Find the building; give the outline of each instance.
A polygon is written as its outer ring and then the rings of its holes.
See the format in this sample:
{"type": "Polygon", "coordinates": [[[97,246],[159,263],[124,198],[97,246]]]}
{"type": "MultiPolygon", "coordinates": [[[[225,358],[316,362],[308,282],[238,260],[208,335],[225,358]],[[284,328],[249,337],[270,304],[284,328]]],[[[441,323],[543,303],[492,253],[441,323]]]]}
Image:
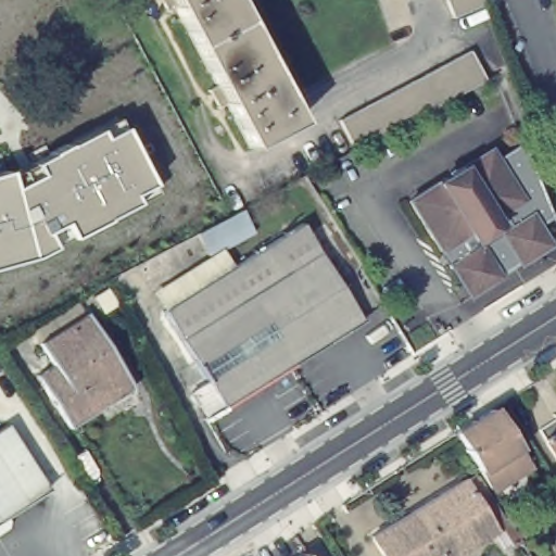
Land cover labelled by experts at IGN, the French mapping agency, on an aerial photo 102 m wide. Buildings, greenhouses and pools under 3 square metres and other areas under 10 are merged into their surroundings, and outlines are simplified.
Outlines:
{"type": "Polygon", "coordinates": [[[282,241],[269,248],[261,248],[261,252],[252,256],[248,263],[237,265],[230,256],[230,248],[254,237],[256,230],[248,213],[235,215],[215,226],[202,235],[202,248],[206,250],[211,261],[195,267],[193,271],[189,271],[187,276],[182,276],[180,280],[165,287],[159,293],[163,304],[172,306],[172,313],[161,313],[159,321],[163,330],[172,337],[174,345],[178,348],[180,356],[185,358],[191,371],[204,376],[209,371],[213,376],[215,384],[200,389],[200,393],[193,395],[189,402],[193,404],[198,419],[202,424],[215,424],[232,410],[237,410],[239,406],[243,406],[248,400],[256,397],[263,389],[267,389],[269,380],[276,374],[298,365],[304,356],[339,339],[341,334],[345,334],[363,321],[365,315],[361,306],[356,304],[352,291],[334,269],[334,265],[324,254],[313,230],[311,226],[302,226],[282,241]]]}
{"type": "Polygon", "coordinates": [[[539,441],[556,463],[556,426],[552,426],[549,421],[541,421],[536,426],[539,441]]]}
{"type": "Polygon", "coordinates": [[[28,267],[30,263],[52,258],[61,254],[63,248],[70,245],[74,239],[91,241],[98,235],[109,232],[119,222],[146,209],[150,198],[163,191],[163,178],[156,172],[139,132],[130,128],[126,119],[111,126],[106,132],[100,132],[59,154],[46,148],[43,152],[35,154],[39,167],[35,169],[22,174],[11,172],[0,176],[0,274],[17,271],[28,267]]]}
{"type": "Polygon", "coordinates": [[[113,417],[117,413],[113,410],[115,402],[135,393],[141,384],[139,382],[130,374],[126,361],[122,358],[109,332],[91,315],[80,326],[56,337],[41,350],[48,356],[50,365],[35,374],[39,384],[48,395],[52,408],[65,421],[65,426],[74,430],[91,421],[96,417],[113,417]]]}
{"type": "Polygon", "coordinates": [[[484,480],[482,484],[473,487],[467,480],[450,493],[445,493],[443,497],[439,497],[437,502],[406,517],[400,523],[384,530],[380,536],[380,543],[387,549],[384,556],[504,556],[504,552],[495,545],[502,532],[506,532],[513,539],[515,549],[523,547],[526,541],[515,526],[508,523],[500,495],[508,495],[526,487],[530,476],[534,473],[534,463],[530,458],[528,443],[519,426],[513,421],[508,413],[497,410],[489,415],[480,424],[463,430],[458,439],[460,443],[465,445],[465,452],[471,456],[480,473],[484,480]]]}
{"type": "Polygon", "coordinates": [[[458,24],[465,22],[469,15],[487,11],[484,0],[452,0],[456,9],[454,20],[458,24]]]}
{"type": "Polygon", "coordinates": [[[30,502],[35,502],[43,493],[48,482],[30,452],[26,450],[26,445],[22,443],[22,439],[17,437],[17,432],[9,428],[0,432],[0,536],[11,530],[13,515],[26,508],[30,502]]]}
{"type": "Polygon", "coordinates": [[[289,139],[317,125],[304,93],[298,80],[293,78],[285,56],[280,54],[254,0],[156,0],[159,7],[174,13],[180,15],[180,22],[187,28],[193,46],[198,48],[202,63],[206,65],[209,74],[217,85],[228,98],[228,106],[235,115],[235,122],[241,128],[245,141],[250,143],[271,141],[280,135],[289,139]]]}
{"type": "Polygon", "coordinates": [[[556,250],[556,209],[549,200],[547,187],[539,182],[532,174],[526,154],[519,148],[515,148],[508,154],[491,150],[478,163],[463,169],[450,165],[450,180],[428,189],[413,204],[428,235],[437,239],[441,254],[445,258],[445,274],[450,276],[454,287],[463,289],[465,298],[478,298],[484,289],[495,287],[504,269],[513,274],[530,265],[532,261],[541,258],[543,254],[556,250]]]}
{"type": "Polygon", "coordinates": [[[454,98],[458,93],[473,93],[487,83],[487,72],[476,52],[471,52],[441,67],[439,72],[426,76],[424,80],[397,91],[395,96],[356,113],[354,117],[343,119],[341,130],[352,143],[367,132],[384,135],[389,124],[408,119],[417,115],[424,106],[428,106],[443,106],[445,100],[454,98]]]}
{"type": "Polygon", "coordinates": [[[104,313],[109,313],[117,308],[115,293],[104,291],[98,295],[98,304],[104,313]]]}

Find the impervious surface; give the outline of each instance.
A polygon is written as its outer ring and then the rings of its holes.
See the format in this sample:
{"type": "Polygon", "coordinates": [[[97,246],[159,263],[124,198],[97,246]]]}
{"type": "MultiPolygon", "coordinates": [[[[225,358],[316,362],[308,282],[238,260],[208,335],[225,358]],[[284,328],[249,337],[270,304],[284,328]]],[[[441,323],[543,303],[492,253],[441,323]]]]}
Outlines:
{"type": "Polygon", "coordinates": [[[556,104],[556,0],[495,0],[497,13],[504,22],[517,63],[534,91],[543,93],[545,100],[556,104]]]}
{"type": "Polygon", "coordinates": [[[130,374],[139,382],[141,369],[130,348],[128,334],[111,321],[109,313],[104,313],[98,304],[89,302],[83,308],[78,304],[59,315],[56,319],[48,321],[46,326],[41,326],[30,339],[22,341],[20,352],[11,356],[22,378],[33,389],[37,389],[39,384],[35,374],[50,365],[48,356],[41,350],[56,337],[80,326],[91,315],[109,332],[122,358],[126,361],[130,374]]]}
{"type": "Polygon", "coordinates": [[[176,469],[185,467],[185,463],[167,447],[159,430],[156,417],[152,413],[150,391],[141,384],[135,393],[115,402],[113,410],[117,413],[132,410],[135,415],[146,417],[161,454],[176,469]]]}
{"type": "Polygon", "coordinates": [[[9,98],[0,89],[0,146],[7,143],[11,150],[20,150],[20,137],[22,130],[26,130],[26,124],[22,113],[9,102],[9,98]]]}
{"type": "Polygon", "coordinates": [[[352,291],[356,304],[361,306],[365,315],[363,321],[345,334],[341,334],[339,339],[304,356],[298,365],[276,374],[269,380],[267,389],[263,389],[256,397],[248,400],[243,406],[239,406],[237,410],[232,410],[215,424],[202,424],[198,419],[193,404],[189,402],[193,395],[200,393],[200,389],[215,384],[213,376],[209,371],[204,376],[191,371],[185,358],[180,356],[178,348],[174,345],[172,337],[163,330],[159,321],[161,313],[172,313],[172,306],[163,304],[159,293],[165,287],[180,280],[182,276],[187,276],[189,271],[193,271],[195,267],[211,261],[206,250],[202,248],[202,235],[176,243],[174,248],[161,252],[148,263],[124,271],[119,278],[137,289],[139,304],[135,306],[135,317],[141,321],[146,339],[152,345],[156,361],[161,361],[161,367],[167,374],[169,384],[174,387],[178,402],[187,413],[211,467],[224,473],[211,491],[195,495],[185,510],[172,513],[165,519],[154,519],[148,528],[141,530],[137,534],[119,530],[115,539],[111,534],[102,534],[100,521],[87,502],[87,495],[78,491],[74,484],[70,489],[63,489],[59,482],[48,482],[43,493],[35,502],[30,502],[26,508],[13,515],[11,530],[0,536],[0,556],[332,556],[324,541],[317,539],[317,519],[321,519],[324,523],[337,523],[337,513],[332,508],[345,502],[369,487],[369,482],[363,482],[361,487],[352,484],[352,478],[374,469],[378,469],[378,484],[382,484],[391,476],[413,460],[421,460],[430,450],[441,445],[443,441],[458,439],[463,430],[480,424],[489,415],[497,410],[508,413],[521,404],[517,391],[530,387],[539,393],[556,421],[556,250],[543,254],[541,258],[532,261],[530,265],[513,274],[504,269],[495,287],[484,289],[478,298],[465,298],[463,289],[454,287],[450,276],[445,274],[445,258],[441,254],[437,239],[428,235],[424,241],[419,241],[400,211],[402,200],[408,200],[413,204],[428,189],[450,180],[450,165],[463,169],[478,163],[491,150],[508,154],[515,148],[504,141],[504,137],[508,130],[521,126],[519,102],[517,89],[510,83],[510,70],[508,65],[502,65],[491,28],[484,24],[489,20],[487,11],[469,15],[465,22],[458,24],[454,20],[456,9],[452,0],[378,0],[391,37],[389,48],[384,52],[363,54],[334,70],[334,85],[330,87],[330,91],[321,83],[317,83],[311,85],[304,93],[317,125],[289,139],[280,135],[271,141],[250,143],[245,152],[241,148],[232,150],[226,150],[213,137],[213,132],[200,141],[209,159],[215,161],[222,187],[230,198],[235,200],[235,209],[241,209],[254,195],[256,189],[263,189],[271,180],[278,182],[285,176],[291,176],[295,169],[306,172],[308,161],[315,161],[319,152],[326,152],[332,159],[334,169],[343,172],[334,185],[332,180],[326,185],[313,185],[313,180],[306,178],[300,180],[300,187],[306,189],[321,217],[321,224],[313,230],[324,254],[334,265],[334,269],[352,291]],[[393,163],[380,165],[374,172],[356,167],[352,163],[352,143],[341,130],[343,119],[354,117],[356,113],[395,96],[397,91],[424,80],[426,76],[439,72],[441,67],[471,52],[476,52],[487,72],[487,83],[497,87],[500,104],[493,111],[484,109],[480,115],[471,111],[471,119],[458,126],[454,132],[443,135],[441,139],[419,148],[410,159],[395,159],[393,163]],[[339,219],[334,217],[332,204],[339,204],[352,230],[363,239],[363,243],[367,243],[363,252],[380,258],[387,267],[387,278],[376,289],[371,289],[358,269],[358,265],[363,263],[361,252],[352,245],[339,219]],[[382,295],[400,287],[413,295],[419,295],[417,311],[408,319],[391,319],[376,304],[382,295]],[[424,343],[421,348],[413,348],[408,337],[421,326],[430,326],[439,337],[424,343]],[[159,543],[154,534],[163,523],[176,523],[178,536],[167,543],[159,543]]]}

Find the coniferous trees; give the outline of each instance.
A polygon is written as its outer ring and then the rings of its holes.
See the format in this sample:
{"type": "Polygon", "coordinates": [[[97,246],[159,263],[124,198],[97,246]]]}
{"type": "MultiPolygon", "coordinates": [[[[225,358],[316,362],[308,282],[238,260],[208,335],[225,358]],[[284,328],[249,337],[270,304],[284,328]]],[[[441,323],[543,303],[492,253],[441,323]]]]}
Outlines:
{"type": "Polygon", "coordinates": [[[406,500],[391,502],[382,493],[376,491],[376,504],[376,510],[382,515],[380,530],[384,530],[400,523],[406,517],[402,513],[402,506],[406,504],[406,500]]]}

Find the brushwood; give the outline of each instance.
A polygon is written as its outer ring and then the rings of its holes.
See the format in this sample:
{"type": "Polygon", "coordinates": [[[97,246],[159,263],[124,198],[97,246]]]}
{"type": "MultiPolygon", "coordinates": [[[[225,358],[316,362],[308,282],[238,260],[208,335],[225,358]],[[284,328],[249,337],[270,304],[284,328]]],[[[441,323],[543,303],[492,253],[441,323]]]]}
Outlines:
{"type": "Polygon", "coordinates": [[[517,89],[519,102],[534,91],[517,63],[504,22],[497,13],[495,0],[484,0],[487,11],[489,20],[484,24],[491,28],[502,65],[508,65],[510,70],[510,83],[517,89]]]}
{"type": "Polygon", "coordinates": [[[424,241],[428,235],[413,204],[408,200],[402,200],[400,211],[419,241],[424,241]]]}
{"type": "Polygon", "coordinates": [[[48,321],[56,319],[59,315],[78,304],[76,293],[61,291],[56,302],[48,304],[46,308],[35,308],[33,315],[7,315],[0,319],[0,369],[4,371],[4,378],[11,380],[15,391],[13,395],[17,395],[28,406],[35,421],[50,439],[54,452],[59,454],[74,484],[78,491],[87,495],[87,502],[100,521],[102,534],[111,534],[115,539],[119,530],[115,517],[100,502],[100,495],[96,491],[98,480],[89,478],[80,463],[80,456],[48,425],[43,408],[37,402],[33,389],[22,378],[11,356],[20,352],[22,341],[30,339],[41,326],[46,326],[48,321]]]}
{"type": "Polygon", "coordinates": [[[443,441],[441,445],[430,450],[421,460],[413,460],[391,476],[395,482],[402,482],[402,478],[408,473],[437,465],[441,460],[441,454],[452,454],[460,443],[458,439],[443,441]]]}
{"type": "Polygon", "coordinates": [[[211,467],[187,413],[178,402],[174,387],[169,384],[167,374],[161,367],[161,361],[156,361],[152,345],[146,339],[141,321],[135,317],[135,306],[139,304],[137,289],[119,278],[115,278],[113,274],[104,274],[102,282],[85,285],[83,291],[87,291],[91,298],[98,295],[104,291],[115,293],[117,308],[109,313],[111,321],[128,334],[130,348],[141,369],[139,382],[141,384],[150,391],[152,413],[156,417],[159,430],[167,447],[185,463],[185,467],[189,469],[187,484],[176,487],[161,500],[152,500],[148,495],[135,497],[122,484],[119,473],[113,469],[104,452],[104,445],[98,441],[98,430],[91,421],[74,430],[74,434],[83,443],[83,450],[93,456],[100,469],[100,480],[106,484],[117,506],[135,508],[137,526],[141,530],[148,528],[154,519],[165,519],[172,513],[185,510],[195,495],[211,491],[224,473],[211,467]]]}
{"type": "Polygon", "coordinates": [[[345,502],[350,510],[367,502],[376,504],[376,491],[382,493],[378,484],[369,487],[345,502]]]}
{"type": "Polygon", "coordinates": [[[324,541],[332,556],[363,556],[363,549],[358,545],[348,545],[348,536],[343,536],[345,528],[337,523],[324,523],[321,519],[317,519],[317,539],[324,541]]]}
{"type": "Polygon", "coordinates": [[[339,219],[352,245],[361,252],[363,252],[367,243],[363,243],[363,239],[352,230],[339,204],[332,204],[334,217],[339,219]]]}

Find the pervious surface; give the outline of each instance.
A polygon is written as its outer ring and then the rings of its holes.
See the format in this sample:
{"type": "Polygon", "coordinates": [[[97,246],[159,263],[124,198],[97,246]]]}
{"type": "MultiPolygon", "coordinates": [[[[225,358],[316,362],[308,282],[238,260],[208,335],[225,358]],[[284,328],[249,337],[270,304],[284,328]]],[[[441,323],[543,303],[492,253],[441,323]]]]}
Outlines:
{"type": "Polygon", "coordinates": [[[28,406],[17,395],[13,395],[15,391],[11,380],[4,378],[4,371],[0,369],[0,432],[9,428],[17,432],[17,437],[22,439],[22,443],[26,445],[26,450],[30,452],[48,482],[59,482],[63,489],[70,489],[74,484],[59,454],[54,452],[50,439],[35,421],[28,406]]]}
{"type": "Polygon", "coordinates": [[[541,421],[549,421],[552,426],[556,426],[556,421],[539,393],[536,406],[532,410],[536,426],[541,421]]]}
{"type": "Polygon", "coordinates": [[[161,20],[165,39],[174,50],[187,76],[187,83],[191,85],[200,102],[204,102],[209,111],[217,117],[217,132],[228,135],[232,150],[241,148],[245,152],[250,143],[245,141],[241,128],[235,122],[235,115],[228,106],[228,98],[217,85],[211,91],[204,91],[200,87],[174,30],[167,24],[167,20],[174,13],[159,7],[156,0],[152,0],[148,7],[148,15],[152,20],[161,20]]]}
{"type": "Polygon", "coordinates": [[[395,482],[391,476],[382,484],[378,484],[382,493],[391,502],[406,500],[406,504],[402,506],[402,513],[406,517],[437,502],[439,497],[443,497],[445,493],[450,493],[467,480],[473,487],[482,484],[484,480],[480,473],[450,478],[441,469],[441,465],[437,465],[408,473],[402,478],[402,482],[395,482]]]}
{"type": "Polygon", "coordinates": [[[515,549],[513,539],[506,532],[502,532],[495,545],[504,552],[504,556],[515,556],[515,549]]]}
{"type": "Polygon", "coordinates": [[[382,515],[376,510],[376,504],[367,502],[350,510],[345,502],[332,508],[337,513],[337,523],[345,528],[343,536],[348,536],[348,545],[358,545],[363,549],[363,556],[384,556],[387,549],[380,543],[380,536],[384,530],[380,530],[382,515]]]}

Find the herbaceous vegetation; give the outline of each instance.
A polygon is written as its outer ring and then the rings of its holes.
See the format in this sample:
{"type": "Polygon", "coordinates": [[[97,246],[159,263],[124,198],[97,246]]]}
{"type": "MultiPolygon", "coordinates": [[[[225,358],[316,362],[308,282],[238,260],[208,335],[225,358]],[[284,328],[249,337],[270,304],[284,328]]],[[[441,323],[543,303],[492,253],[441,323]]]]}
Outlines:
{"type": "Polygon", "coordinates": [[[271,180],[263,189],[256,189],[254,195],[241,209],[235,209],[235,215],[248,213],[256,230],[254,237],[230,248],[230,256],[237,265],[248,263],[252,256],[261,252],[261,248],[269,248],[282,241],[302,226],[311,226],[313,230],[321,224],[321,217],[306,189],[300,187],[300,180],[306,178],[306,172],[295,169],[291,176],[285,176],[278,182],[271,180]]]}
{"type": "Polygon", "coordinates": [[[421,326],[408,337],[413,348],[421,348],[424,343],[439,337],[430,326],[421,326]]]}
{"type": "Polygon", "coordinates": [[[91,421],[98,430],[98,441],[104,445],[104,452],[113,469],[119,473],[122,484],[135,497],[148,495],[152,500],[161,500],[176,487],[187,484],[189,469],[185,467],[176,469],[161,454],[146,417],[135,415],[132,410],[117,413],[113,417],[96,417],[91,421]]]}
{"type": "Polygon", "coordinates": [[[0,146],[0,176],[11,172],[22,174],[35,169],[39,167],[35,154],[43,152],[46,148],[59,154],[100,132],[106,132],[111,126],[126,119],[130,128],[139,132],[156,172],[163,178],[163,191],[150,198],[146,209],[119,222],[109,232],[98,235],[91,241],[74,239],[70,245],[63,248],[61,254],[52,258],[30,263],[28,267],[17,271],[0,274],[0,319],[7,315],[33,315],[35,308],[46,308],[48,304],[56,302],[61,291],[76,293],[78,304],[83,308],[89,302],[98,304],[98,295],[91,298],[87,291],[83,291],[85,285],[102,282],[104,274],[113,274],[115,278],[119,278],[124,271],[148,263],[161,252],[174,248],[176,243],[202,235],[215,226],[209,219],[209,211],[198,211],[200,198],[219,202],[230,198],[222,187],[215,161],[209,159],[200,141],[213,132],[213,137],[226,150],[232,150],[228,135],[217,132],[217,117],[209,111],[204,102],[200,102],[191,85],[187,83],[187,76],[174,50],[165,39],[161,20],[152,20],[148,15],[141,17],[141,28],[137,24],[119,24],[113,28],[104,28],[100,24],[96,30],[91,30],[87,37],[102,46],[104,61],[93,72],[91,89],[80,100],[78,111],[54,126],[26,124],[26,130],[22,130],[20,137],[20,150],[11,150],[7,143],[0,146]]]}
{"type": "Polygon", "coordinates": [[[52,408],[48,395],[39,384],[37,389],[33,389],[37,402],[43,408],[48,425],[80,456],[80,463],[89,478],[98,480],[96,491],[100,495],[100,502],[115,517],[119,530],[137,534],[141,530],[137,526],[135,508],[117,506],[106,484],[100,480],[100,469],[93,456],[83,450],[83,443],[74,434],[74,430],[65,426],[65,421],[52,408]]]}
{"type": "Polygon", "coordinates": [[[209,74],[206,65],[202,63],[198,48],[193,46],[187,28],[180,22],[180,15],[174,13],[167,20],[167,24],[174,30],[200,87],[204,91],[211,91],[217,85],[209,74]]]}
{"type": "Polygon", "coordinates": [[[554,523],[536,534],[539,543],[545,543],[549,554],[554,556],[556,556],[556,506],[547,508],[552,513],[554,523]]]}
{"type": "Polygon", "coordinates": [[[50,20],[50,15],[56,9],[63,9],[63,13],[67,13],[72,7],[78,4],[78,0],[0,0],[0,85],[4,83],[7,61],[15,59],[17,39],[22,35],[37,37],[39,22],[50,20]]]}
{"type": "Polygon", "coordinates": [[[513,421],[519,426],[528,443],[530,458],[534,463],[534,473],[530,476],[526,487],[534,495],[547,478],[556,476],[556,463],[539,441],[536,426],[532,410],[528,410],[521,404],[508,413],[513,421]]]}
{"type": "Polygon", "coordinates": [[[454,98],[471,111],[480,115],[484,109],[480,96],[473,93],[458,93],[454,98]]]}
{"type": "Polygon", "coordinates": [[[443,135],[454,132],[458,126],[450,122],[443,106],[428,106],[434,122],[443,124],[443,135]]]}
{"type": "Polygon", "coordinates": [[[363,54],[384,52],[389,48],[391,37],[378,0],[313,0],[317,7],[315,15],[302,22],[295,13],[295,4],[304,0],[254,0],[280,54],[285,56],[293,78],[298,80],[304,93],[311,85],[317,83],[321,83],[330,91],[330,87],[334,85],[334,70],[363,54]]]}

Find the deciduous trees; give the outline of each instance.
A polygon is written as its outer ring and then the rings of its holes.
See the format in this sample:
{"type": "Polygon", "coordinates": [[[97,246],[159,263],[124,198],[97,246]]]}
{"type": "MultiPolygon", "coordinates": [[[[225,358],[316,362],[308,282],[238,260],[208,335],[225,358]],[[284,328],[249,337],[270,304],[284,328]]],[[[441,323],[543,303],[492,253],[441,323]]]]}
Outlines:
{"type": "Polygon", "coordinates": [[[308,161],[306,172],[306,178],[313,180],[313,185],[326,185],[332,180],[334,185],[343,172],[334,169],[332,159],[326,152],[319,152],[315,161],[308,161]]]}
{"type": "Polygon", "coordinates": [[[382,295],[376,304],[391,319],[408,319],[417,311],[419,295],[413,295],[400,287],[382,295]]]}
{"type": "Polygon", "coordinates": [[[230,198],[219,202],[200,198],[198,211],[209,211],[209,219],[215,226],[235,215],[235,209],[235,200],[230,198]]]}
{"type": "Polygon", "coordinates": [[[530,387],[517,391],[521,404],[528,410],[532,410],[536,406],[539,393],[530,387]]]}
{"type": "Polygon", "coordinates": [[[37,37],[22,35],[17,39],[15,59],[7,61],[4,83],[0,85],[0,89],[9,98],[9,102],[22,113],[26,124],[54,126],[78,111],[80,100],[91,89],[93,72],[104,61],[102,46],[87,37],[91,30],[96,30],[100,24],[104,28],[113,28],[119,24],[137,24],[141,28],[141,17],[148,15],[148,7],[152,0],[78,0],[78,4],[72,7],[67,13],[63,13],[63,9],[56,9],[50,15],[50,20],[39,22],[37,37]]]}
{"type": "Polygon", "coordinates": [[[167,543],[178,536],[176,523],[163,523],[154,534],[159,543],[167,543]]]}
{"type": "Polygon", "coordinates": [[[471,111],[454,98],[445,100],[443,106],[450,122],[458,126],[471,119],[471,111]]]}
{"type": "Polygon", "coordinates": [[[545,100],[543,93],[534,91],[519,102],[521,126],[508,130],[504,137],[504,141],[515,148],[519,148],[526,154],[532,174],[539,182],[547,187],[549,200],[556,209],[556,104],[545,100]]]}
{"type": "Polygon", "coordinates": [[[387,278],[387,267],[380,258],[363,252],[361,252],[363,263],[358,265],[358,269],[371,289],[376,289],[387,278]]]}
{"type": "Polygon", "coordinates": [[[526,541],[523,547],[515,549],[515,556],[554,556],[549,554],[545,543],[539,543],[536,534],[554,523],[552,513],[547,508],[556,506],[556,476],[547,478],[534,495],[526,487],[508,495],[500,495],[508,523],[515,526],[526,541]]]}
{"type": "Polygon", "coordinates": [[[443,135],[443,124],[434,122],[428,106],[424,106],[417,115],[408,119],[389,124],[384,135],[367,132],[352,143],[352,163],[356,167],[374,172],[380,165],[393,163],[395,159],[410,159],[419,148],[441,139],[443,135]]]}
{"type": "Polygon", "coordinates": [[[302,22],[315,15],[317,7],[313,0],[304,0],[295,4],[295,13],[302,22]]]}
{"type": "Polygon", "coordinates": [[[450,478],[480,473],[471,456],[465,452],[465,445],[460,443],[452,454],[441,454],[441,460],[437,465],[441,465],[441,469],[450,478]]]}
{"type": "Polygon", "coordinates": [[[487,83],[473,93],[480,96],[484,109],[493,111],[500,104],[497,87],[487,83]]]}
{"type": "Polygon", "coordinates": [[[374,469],[352,478],[352,484],[361,487],[363,482],[369,482],[369,487],[378,484],[378,469],[374,469]]]}

